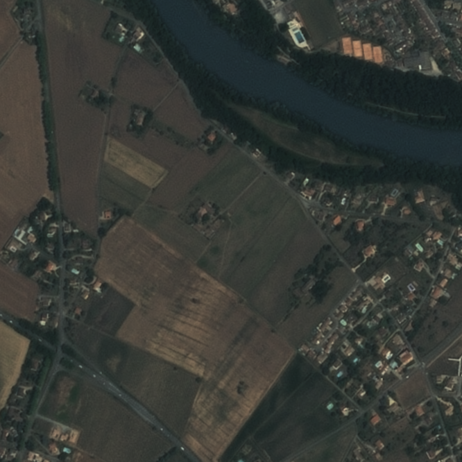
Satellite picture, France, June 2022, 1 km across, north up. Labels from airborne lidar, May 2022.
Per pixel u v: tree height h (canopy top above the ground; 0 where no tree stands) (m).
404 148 0
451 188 20
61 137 0
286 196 0
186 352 0
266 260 0
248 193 0
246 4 12
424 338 0
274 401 0
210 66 0
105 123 0
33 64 0
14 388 10
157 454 0
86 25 0
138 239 0
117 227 0
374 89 39
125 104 0
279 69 0
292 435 0
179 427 0
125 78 0
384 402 14
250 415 0
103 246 0
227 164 0
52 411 0
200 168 0
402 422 0
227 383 0
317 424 0
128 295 0
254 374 0
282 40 13
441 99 32
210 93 18
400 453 0
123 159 0
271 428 0
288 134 0
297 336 0
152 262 0
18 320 7
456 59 11
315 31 0
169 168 0
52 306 8
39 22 0
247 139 9
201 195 0
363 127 0
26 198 0
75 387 0
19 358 0
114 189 0
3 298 0
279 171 8
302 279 8
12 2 0
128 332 0
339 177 8
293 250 0
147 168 0
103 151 0
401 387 0
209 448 0
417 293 7
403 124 0
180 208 0
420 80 26
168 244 0
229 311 0
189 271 0
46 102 16
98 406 0
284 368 0
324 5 0
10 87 0
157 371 0
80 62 0
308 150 0
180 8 0
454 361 0
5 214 0
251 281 0
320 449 0
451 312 0
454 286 0
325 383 0
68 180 0
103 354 0
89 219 0
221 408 0
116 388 0
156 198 0
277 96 0
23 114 0
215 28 0
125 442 0
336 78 13
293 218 0
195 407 0
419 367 0
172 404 0
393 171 15
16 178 0
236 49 0
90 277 9
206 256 0
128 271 0
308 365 0
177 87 0
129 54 0
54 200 0
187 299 0
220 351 0
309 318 0
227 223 0
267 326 0
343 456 0
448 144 0
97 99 10
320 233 0
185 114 0
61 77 0
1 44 0
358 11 8
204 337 0
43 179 0
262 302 0
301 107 0
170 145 0
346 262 0
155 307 0
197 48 0
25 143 0
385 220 6
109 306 0
